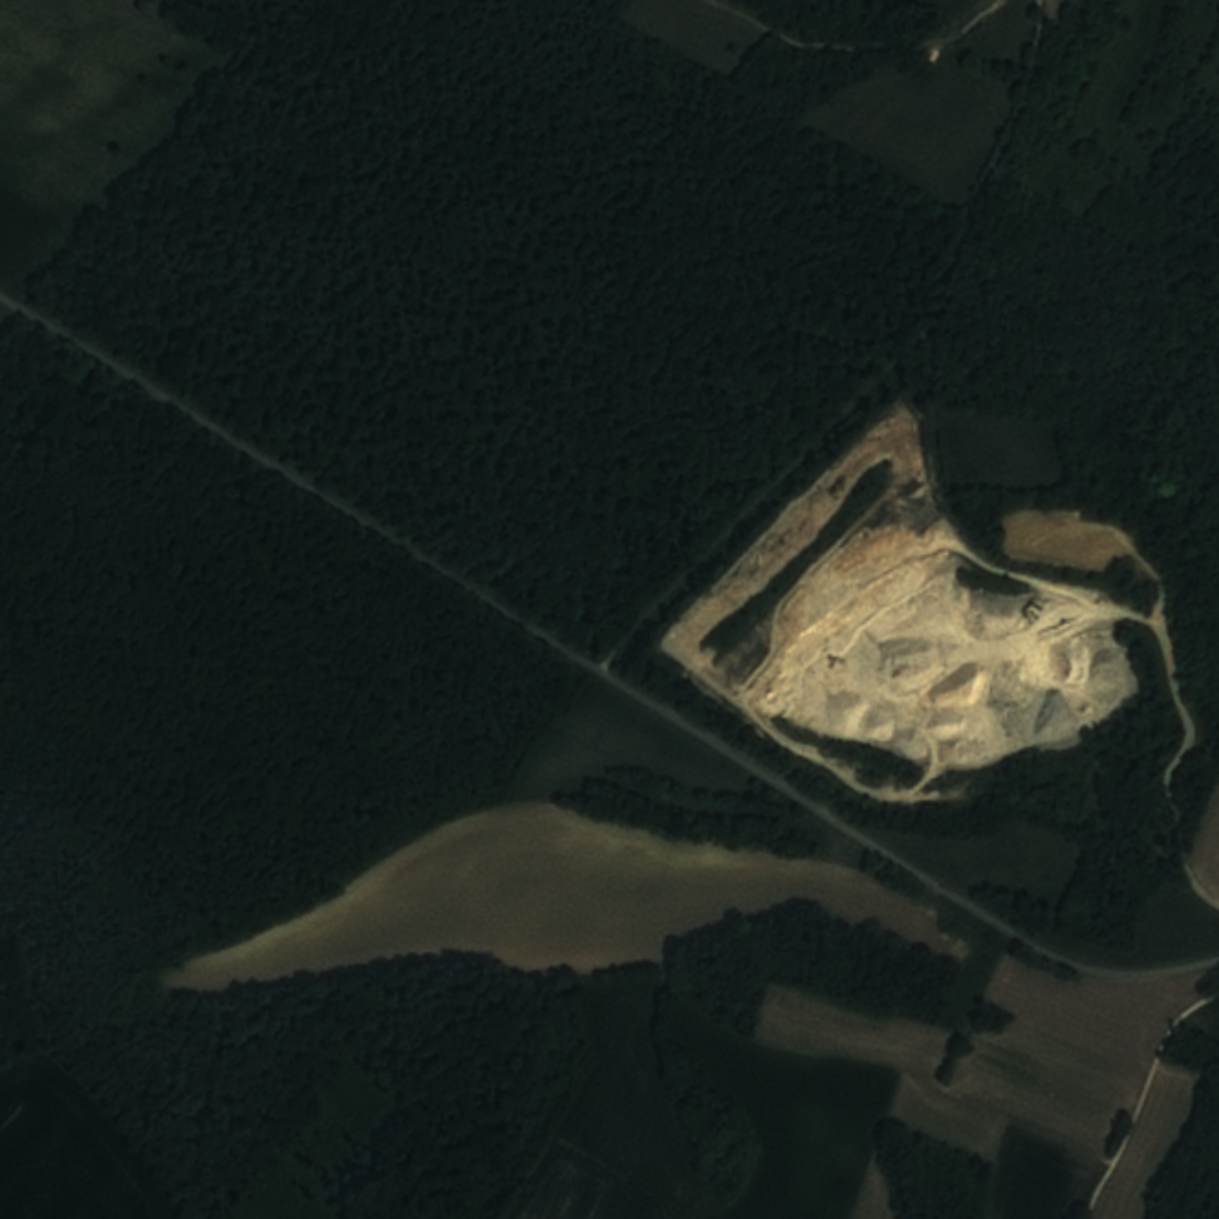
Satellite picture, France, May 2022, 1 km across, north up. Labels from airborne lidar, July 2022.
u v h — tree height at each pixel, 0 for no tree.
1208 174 16
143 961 21
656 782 13
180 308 19
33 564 25
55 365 22
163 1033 17
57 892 10
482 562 18
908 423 0
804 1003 0
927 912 0
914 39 15
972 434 0
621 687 0
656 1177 0
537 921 0
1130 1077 0
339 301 15
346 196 12
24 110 0
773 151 15
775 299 16
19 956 22
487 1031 30
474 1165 29
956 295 18
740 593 0
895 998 17
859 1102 0
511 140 16
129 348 12
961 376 16
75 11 0
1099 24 6
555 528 15
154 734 26
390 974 24
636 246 15
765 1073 0
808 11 15
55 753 19
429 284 13
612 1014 0
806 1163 0
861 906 0
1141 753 14
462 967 25
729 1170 20
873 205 15
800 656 0
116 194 18
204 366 17
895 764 7
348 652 21
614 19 8
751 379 16
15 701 18
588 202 6
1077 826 7
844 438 18
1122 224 9
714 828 18
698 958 18
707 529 19
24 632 20
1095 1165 0
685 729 0
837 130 0
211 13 19
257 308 18
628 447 13
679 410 16
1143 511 13
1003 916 14
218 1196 18
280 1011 24
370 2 18
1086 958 0
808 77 9
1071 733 0
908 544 0
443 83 8
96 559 24
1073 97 8
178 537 23
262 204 20
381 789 18
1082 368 18
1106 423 21
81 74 0
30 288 14
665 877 0
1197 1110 10
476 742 14
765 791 15
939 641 0
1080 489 13
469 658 20
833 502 0
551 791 0
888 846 0
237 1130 20
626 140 14
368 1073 25
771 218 12
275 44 18
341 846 15
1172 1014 0
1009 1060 0
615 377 13
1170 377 18
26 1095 0
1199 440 24
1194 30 0
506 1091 19
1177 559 15
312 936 0
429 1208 26
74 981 19
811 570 0
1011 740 0
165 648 24
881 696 0
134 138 0
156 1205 0
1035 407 16
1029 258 16
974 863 0
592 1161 0
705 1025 0
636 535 8
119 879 12
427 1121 20
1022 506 10
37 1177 0
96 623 22
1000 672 0
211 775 28
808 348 19
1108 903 13
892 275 18
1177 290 16
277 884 19
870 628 0
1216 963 0
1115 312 14
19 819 14
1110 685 0
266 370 8
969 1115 0
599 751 0
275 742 22
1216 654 8
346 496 10
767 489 15
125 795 23
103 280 21
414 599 20
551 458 15
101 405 26
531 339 15
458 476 15
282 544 22
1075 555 0
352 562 20
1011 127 6
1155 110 0
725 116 12
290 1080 23
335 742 23
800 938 18
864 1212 0
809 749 0
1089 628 0
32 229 0
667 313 14
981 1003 14
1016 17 0
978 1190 11
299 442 21
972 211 11
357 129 16
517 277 13
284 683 23
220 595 22
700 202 14
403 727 21
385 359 17
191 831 17
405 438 17
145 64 0
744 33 0
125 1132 17
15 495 15
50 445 22
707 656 0
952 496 10
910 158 0
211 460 24
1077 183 0
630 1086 0
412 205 13
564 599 15
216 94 18
